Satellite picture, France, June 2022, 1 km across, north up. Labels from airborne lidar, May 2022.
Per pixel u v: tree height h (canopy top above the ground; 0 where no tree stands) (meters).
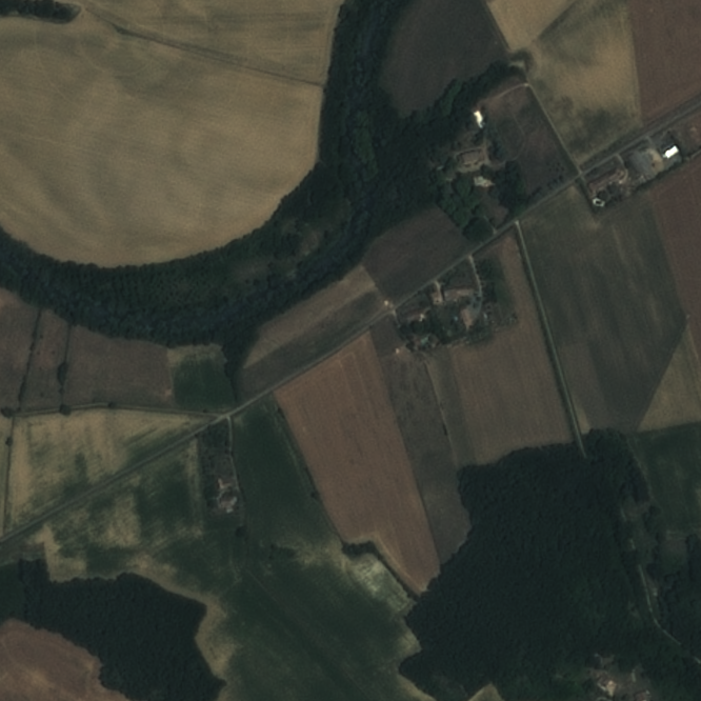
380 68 26
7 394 0
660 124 0
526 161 0
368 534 0
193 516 0
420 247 0
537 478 13
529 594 17
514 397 0
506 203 22
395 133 22
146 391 0
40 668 0
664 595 11
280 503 0
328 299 0
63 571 0
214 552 0
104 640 16
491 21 0
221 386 0
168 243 0
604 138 0
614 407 0
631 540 12
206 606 8
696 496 0
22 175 0
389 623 0
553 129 0
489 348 0
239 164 0
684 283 0
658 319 0
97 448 0
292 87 0
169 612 16
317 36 0
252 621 0
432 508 0
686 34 0
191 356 0
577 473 18
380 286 0
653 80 0
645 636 9
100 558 0
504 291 0
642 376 0
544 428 0
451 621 17
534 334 0
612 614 14
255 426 0
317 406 0
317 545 0
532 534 17
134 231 0
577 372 0
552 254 0
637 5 0
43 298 11
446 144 17
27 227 0
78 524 0
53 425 0
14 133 0
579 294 0
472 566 14
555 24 0
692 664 15
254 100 0
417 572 0
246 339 21
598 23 0
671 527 0
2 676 0
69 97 0
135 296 11
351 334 0
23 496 0
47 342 0
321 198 17
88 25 0
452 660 12
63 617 18
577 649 14
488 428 0
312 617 0
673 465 0
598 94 0
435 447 0
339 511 0
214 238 0
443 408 0
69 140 0
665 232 0
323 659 0
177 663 16
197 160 0
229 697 0
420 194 24
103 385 0
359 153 32
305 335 0
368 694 0
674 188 0
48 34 0
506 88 0
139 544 0
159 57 0
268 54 0
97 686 0
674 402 0
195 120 0
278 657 0
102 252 0
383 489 0
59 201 0
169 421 0
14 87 0
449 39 0
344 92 17
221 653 0
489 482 13
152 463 0
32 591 20
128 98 0
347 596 0
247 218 0
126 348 0
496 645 15
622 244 0
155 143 0
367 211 7
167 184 0
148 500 0
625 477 7
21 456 0
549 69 0
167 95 0
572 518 19
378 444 0
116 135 0
